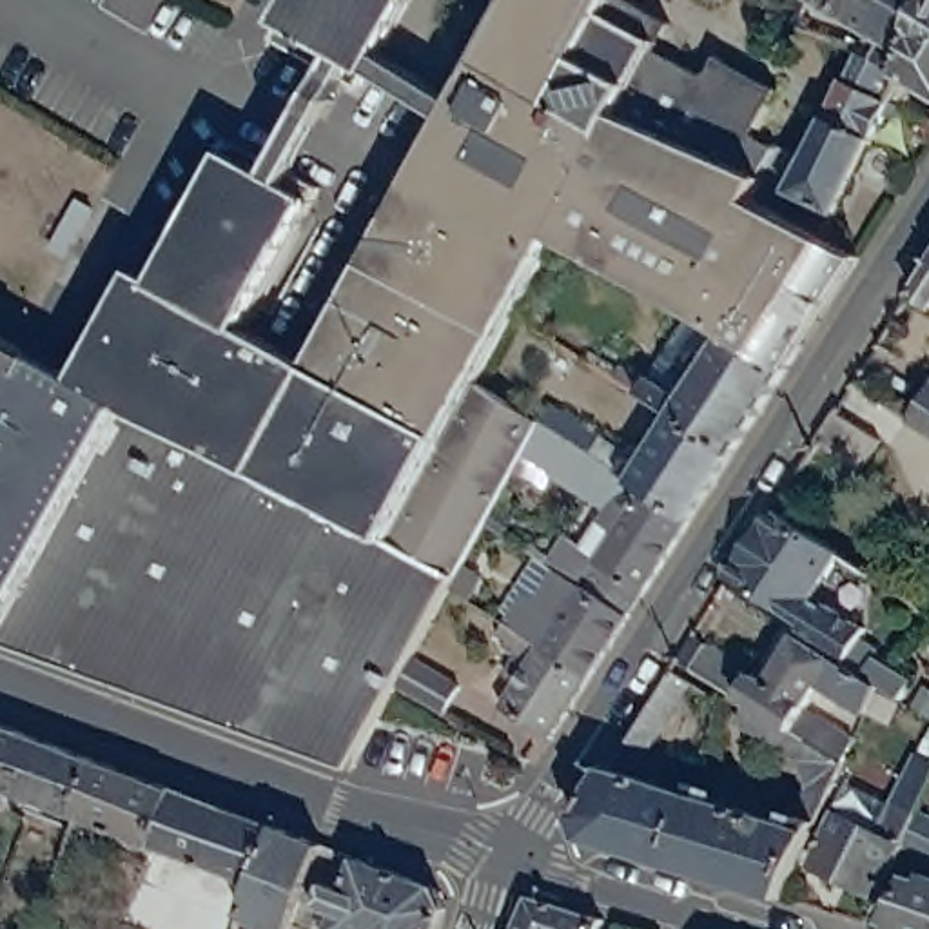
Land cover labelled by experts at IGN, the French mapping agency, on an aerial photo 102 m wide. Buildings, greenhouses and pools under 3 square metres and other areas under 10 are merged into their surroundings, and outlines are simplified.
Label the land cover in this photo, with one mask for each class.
<instances>
[{"label":"building","instance_id":"1","mask_svg":"<svg viewBox=\"0 0 929 929\"><path fill-rule=\"evenodd\" d=\"M798 11L853 33L867 47L864 58H849L842 65V76L824 94V105L838 109L842 116L838 131H827L820 120H809L795 149H769L755 138L740 142L737 134L751 127L755 109L762 105L769 87L751 83L722 62H708L700 73H686L657 58L653 47L660 44V22L624 0H490L465 54L446 73L439 94H428L399 73L385 69L381 62H374L370 54L403 22L410 0H261L258 33L265 47L301 51L308 58V69L283 102L254 163L243 167L218 152H203L196 160L142 269L112 272L105 279L94 308L87 312L76 341L69 345L54 374L0 352V660L316 780H330L334 769H356L385 715L392 693L428 711L457 708L450 693L457 682L454 671L432 657H421L417 650L450 599V584L461 577L468 562L494 508L508 494L515 479H526L537 490L559 486L577 501L592 504V530L581 541H562L548 544L544 555L530 548V559L523 570L515 566L508 584L497 592V639L504 657L501 675L494 682L497 704L483 719L508 733L512 755L519 762H555V744L577 726V708L584 693L613 660L646 595L671 566L675 552L686 544L693 519L715 494L726 468L737 461L751 428L762 421L791 363L798 359L813 323L831 308L835 294L856 272L853 254H831L820 243H809L806 236L777 225L773 218L748 210L740 200L762 171H773L780 178V200H791L795 207L817 214L838 210V192L846 189V181H867L878 192L885 185V156L893 149L904 152V123L929 120V0H795ZM359 76L381 91L377 109L388 123H396L403 112H414L421 120V131L406 149L381 207L367 221L359 247L337 272L301 348L290 359H283L236 334L232 323L272 287V279L294 250L305 210L290 192L279 189L283 171L298 160L316 120H323L345 98L348 83ZM541 250H555L570 261H588L606 279L621 283L631 298H646L650 305H657V312L671 316V327L650 348L653 367L664 370L660 381L650 385L635 377L628 385L635 406L650 410L653 421L628 457H617L610 450L621 432L617 425H606L588 410H577L573 403L548 396L541 399V410H533L530 417H519L501 399L486 392L475 377L486 370L515 301L533 279ZM896 287L904 294L914 290L918 298H929V247L922 250V258H914V272H896ZM907 428L929 439V381L922 385V396L900 414ZM842 435L860 461H867L875 446L867 435L846 425L842 417L827 414V421L817 432V443L831 446V439ZM795 523L780 508L773 519H755L748 537L733 548V562L737 581L748 592H762L758 606H769V621H780L784 635L758 675H740L733 682L722 675V653L715 646H697L689 653L686 675L711 686L708 693L726 697L733 719L737 733L755 737L780 744L784 773L798 780L802 791L806 820H798L787 813L737 817L733 809H719L704 787H660L650 780L621 777L602 766H573L577 784L570 798L577 806L573 813H562L570 842L592 846L599 838L613 853H642L653 867H660L668 882L689 885L693 878H719L733 893H766L773 904L780 900V889L795 867L806 860L809 871L827 889H842V896H878L875 914L885 929H929V755H918L914 744H904L893 773L882 784H875L864 773H849V762L838 751L849 740V722L856 719H875L885 726L893 711L904 704L914 719H929V679L907 689L904 675L878 660V650L864 642L867 635L860 631V610H846L838 595L831 602H813V592L835 577V562L842 559L809 537L791 533ZM697 737V722L686 708V686L682 679L668 675L657 697L628 729L624 744L650 748L657 740H689ZM33 802L44 817L54 820V827L69 824L76 831L83 827L91 835H109L123 849L142 853L145 860L160 853L225 878L232 893L225 929H439V882L417 885L403 875H385L370 864L348 860L330 846H308L305 838L265 827L254 817L221 809L207 798L174 787L145 784L94 758L73 755L58 744L0 726V813L22 806ZM512 929H602V918L519 896L515 914L508 918Z\"/></svg>","mask_w":929,"mask_h":929},{"label":"impervious surface","instance_id":"2","mask_svg":"<svg viewBox=\"0 0 929 929\"><path fill-rule=\"evenodd\" d=\"M261 0H243L240 11H232L229 25L214 29L207 22L185 18L167 0H0V91L15 102L33 94L47 109L105 138V163L112 181L102 192H91L87 207L73 203L51 240L54 258H65L73 247L83 250L65 290L54 287L44 305H33L0 283V352L54 374L69 345L76 341L87 312L94 308L105 279L112 272L142 269L196 160L203 152H218L243 167L254 163L283 102L308 69V58L301 51L265 47L258 33ZM490 0H410L403 22L370 54L374 62H381L385 69L399 73L428 94H439L446 73L465 54ZM381 91L359 76L348 83L345 98L323 120H316L298 160L283 171L279 189L290 192L305 210L294 250L272 279V287L232 323L236 334L283 359H290L301 348L337 272L359 247L367 221L381 207L406 149L421 131V120L414 112H403L396 123H388L377 109ZM929 247V156L918 163L911 189L889 207V214L867 243L860 254H853L856 272L835 294L831 308L813 323L798 359L791 363L762 421L751 428L737 461L726 468L715 494L693 519L686 544L675 552L671 566L646 595L613 660L584 693L577 708V726L555 744V762H519L508 780H497L483 740L388 722L385 715L356 769H334L330 780H316L0 660V726L58 744L73 755L94 758L145 784L174 787L207 798L221 809L254 817L265 827L305 838L308 846H330L348 860L370 864L385 875H403L417 885L439 882V929H512L508 918L515 914L519 896L602 918V929H885L875 914L878 896H842V889H827L809 871L806 860L795 867L809 875L806 904H798V911H780L773 904L766 893H733L719 878H693L689 885L668 882L660 867H653L642 853H613L599 838L592 846L570 842L562 813H573L577 806L570 798L577 784L573 766H588V758L599 748L624 744L628 729L657 697L668 675L682 679L686 686H700V693H708L711 686L686 675L689 653L697 646H715L722 653V675L733 682L740 675H758L784 635L780 621H769V606H758L762 592H748L737 581L733 562V548L748 537L755 519H773L780 508V501L773 494L777 479L784 472H802L806 450L817 443V432L827 421V414L842 417L846 425L867 435H885L893 465L896 490L904 497L878 512L885 519H904L907 526H929V439L907 428L900 414L893 410L867 399L853 381L846 377L849 359L860 352L875 356L878 337L893 323V312L904 301V294L896 287V272H914V258H922V250ZM838 595L846 610H860L867 602V570L860 566L842 559L835 562V577L813 592V602H831ZM232 893L225 878L160 853L145 860V878L131 900V922L142 929H225Z\"/></svg>","mask_w":929,"mask_h":929},{"label":"herbaceous vegetation","instance_id":"3","mask_svg":"<svg viewBox=\"0 0 929 929\"><path fill-rule=\"evenodd\" d=\"M660 22V44L653 47L657 58L686 73H700L708 62H722L751 83L769 87L762 105L755 109L751 127L737 134L740 142L755 138L769 149H795L809 120H820L827 131H838L842 116L838 109L824 105V94L842 76V65L849 58H864L867 47L853 33L798 11L780 15V36H795L798 62H777L766 69L740 54L748 25L762 22V7H748L740 15V0H624ZM112 181L105 163L62 142L40 120L22 116L11 102H0V283L33 305H44L54 287L65 290L83 250L73 247L65 258H54L51 240L73 203L87 207L91 192H102ZM780 178L773 171H762L740 200L748 210L773 218L777 225L806 236L809 243H820L831 254H860L867 243L853 236V229L864 221L878 192L867 181H846V189L838 192V210L817 214L795 207L791 200H780ZM671 327V316L657 312V305H650L646 298H631L621 283L606 279L588 261H570L555 250H541L533 279L515 301L486 370L475 377L486 392L501 399L508 396L504 374H519L526 348H537L548 359L541 388L548 396L573 403L577 410H588L606 425H617L621 432L610 450L617 457H628L653 421L650 410L635 406L628 385L635 377L650 385L660 381L664 370L653 367L650 348ZM885 363L893 388H900V403L893 410L900 414L922 396V385L929 381V298H918L914 290L904 294V301L893 312V323L878 337L875 356L860 352L849 359L846 377L853 381L856 374H878V367ZM875 446L867 461H860L842 435L831 439V446L817 443L806 450L802 472H784L777 479L773 494L780 501L795 490L835 494L849 486L853 475H875L893 465L885 435H867ZM523 490L526 508H533L541 497L548 501V508H577L573 530L562 541H581L592 530V504L577 501L559 486L537 490L526 479H515L508 494ZM791 533L809 537L842 559L860 566L864 555L846 541V533L831 530L795 523ZM530 559H515L508 552L501 559L468 562L461 577L450 584V599L417 650L421 657H432L454 671L457 682L450 693L457 708L483 719L497 704L494 682L501 675L504 657L497 639V592L508 584L515 566L523 570ZM904 744H914L918 755H929V719H914L904 704L893 711L885 726L875 719H856L849 722V740L838 751L849 762V773H864L875 784H882L893 773ZM729 755L704 758L689 740H657L650 748L624 744L599 748L588 758V766H602L621 777L650 780L660 787H704L719 809H733L737 817L787 813L798 820H806L802 791L798 780L784 773L755 780L737 769L733 755L740 748H751L755 737L737 733L733 719L726 722ZM15 827H22L25 835L11 856V871L18 878L15 893L0 896V929H11L7 918L25 900L54 896L47 878L80 846L105 853L120 849V864L102 882L83 878L80 896L58 900V918L65 922L62 929H142L131 922V900L145 878V860L142 853L123 849L109 835H91L83 827L76 831L69 824L54 827V820L44 817L33 802L22 806Z\"/></svg>","mask_w":929,"mask_h":929},{"label":"deciduous trees","instance_id":"4","mask_svg":"<svg viewBox=\"0 0 929 929\"><path fill-rule=\"evenodd\" d=\"M748 7H762V22L748 25L740 54L766 69L777 62H798L795 36H780V15L798 11L795 0H740V15ZM548 359L537 348H526L519 374H504L508 396L501 399L519 417H530L533 410H541V399L548 396L541 388ZM867 399L893 410L900 403V388H893L885 363L878 367V374H856L853 381ZM577 508H548V501L541 497L533 508H526L523 490L508 494L494 508L468 562L501 559L508 552L515 559H530V548L544 555L548 544L562 541L573 530ZM780 508L795 523L831 530L835 494L795 490L780 501ZM846 541L864 555L860 566L867 570V602L860 610V631L867 635L864 642L878 650V660L904 675L907 689L929 679V526H907L904 519H885L878 512L849 526L846 533ZM686 708L697 722V737L689 740L704 758L729 755L726 722L733 719L726 697L708 693H700V686H686ZM737 769L755 780L784 773L780 744L755 737L751 748H740L733 755ZM120 864V849L105 853L80 846L47 878L54 896L25 900L7 918L11 929H62L65 922L58 918V900L80 896L83 878L102 882ZM809 875L795 867L780 889V900L773 904L780 911H798V904H806Z\"/></svg>","mask_w":929,"mask_h":929},{"label":"brushwood","instance_id":"5","mask_svg":"<svg viewBox=\"0 0 929 929\"><path fill-rule=\"evenodd\" d=\"M185 18L207 22L214 29L229 25L232 11H240L243 0H167ZM0 102H11L22 116L40 120L62 142L105 163V138L47 109L33 94L15 102L0 91ZM929 156V120L904 123V152L893 149L885 156V185L878 192L864 221L853 229V236L867 243L889 214V207L911 189L918 163ZM388 722L483 740L497 780H508L519 762L512 755L508 733L483 719L457 708L428 711L392 693L385 715ZM22 806L0 813V896L15 893L18 878L11 871V856L25 835L22 827H15Z\"/></svg>","mask_w":929,"mask_h":929},{"label":"coniferous trees","instance_id":"6","mask_svg":"<svg viewBox=\"0 0 929 929\"><path fill-rule=\"evenodd\" d=\"M904 497L896 490L893 465L875 475H853L849 486L835 494L831 530L846 533L849 526L878 512Z\"/></svg>","mask_w":929,"mask_h":929}]
</instances>
